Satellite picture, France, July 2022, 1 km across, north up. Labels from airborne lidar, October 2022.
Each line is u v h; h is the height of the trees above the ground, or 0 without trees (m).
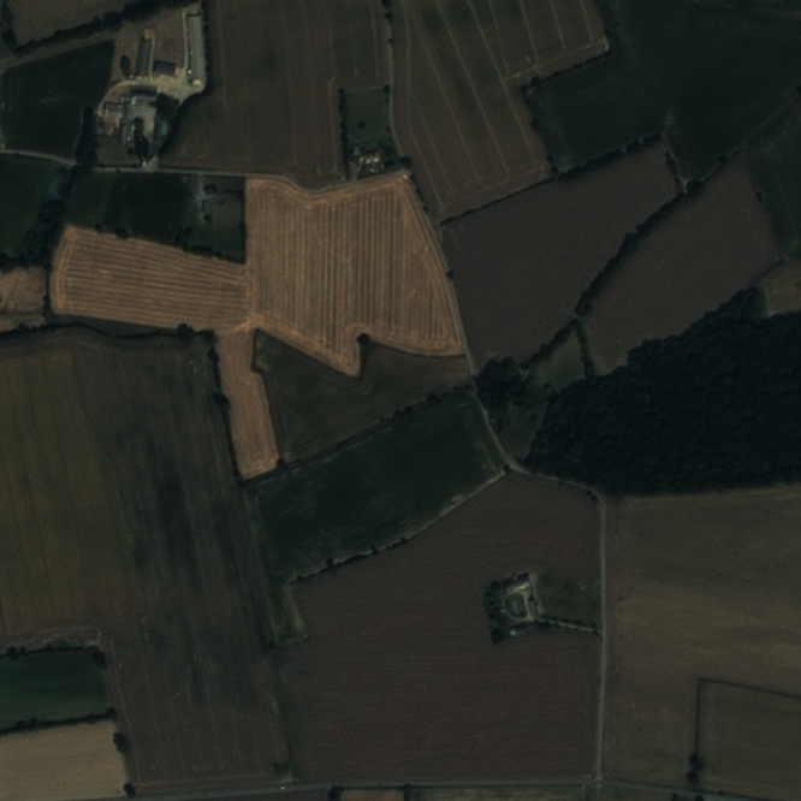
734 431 20
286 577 0
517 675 0
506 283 0
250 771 0
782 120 0
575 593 0
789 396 16
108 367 0
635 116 0
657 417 20
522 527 0
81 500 0
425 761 0
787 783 0
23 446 0
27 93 0
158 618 0
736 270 0
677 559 0
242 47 0
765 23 0
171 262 0
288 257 0
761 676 0
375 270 0
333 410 0
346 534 0
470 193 0
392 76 0
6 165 0
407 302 0
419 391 0
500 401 15
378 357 0
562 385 0
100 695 0
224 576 0
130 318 0
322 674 0
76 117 0
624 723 0
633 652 0
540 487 0
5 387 0
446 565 0
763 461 21
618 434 21
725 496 0
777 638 0
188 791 0
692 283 0
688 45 0
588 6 0
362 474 0
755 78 0
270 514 0
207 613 0
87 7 0
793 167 0
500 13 0
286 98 0
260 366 0
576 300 0
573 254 0
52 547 0
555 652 0
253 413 0
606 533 0
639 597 0
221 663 0
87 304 0
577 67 11
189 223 0
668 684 0
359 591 0
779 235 0
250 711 0
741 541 0
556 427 19
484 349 0
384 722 0
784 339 19
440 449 0
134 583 0
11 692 0
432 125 0
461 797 0
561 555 0
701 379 18
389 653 0
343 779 0
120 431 0
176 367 0
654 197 0
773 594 0
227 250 0
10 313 0
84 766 0
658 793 0
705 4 0
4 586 0
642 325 0
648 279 0
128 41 0
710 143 0
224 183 0
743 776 0
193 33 0
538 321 0
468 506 0
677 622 0
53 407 0
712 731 0
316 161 0
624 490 14
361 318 0
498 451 0
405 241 0
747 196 0
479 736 0
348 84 0
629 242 16
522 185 0
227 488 0
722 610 0
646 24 0
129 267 0
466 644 0
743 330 19
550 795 0
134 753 0
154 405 0
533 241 0
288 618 0
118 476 0
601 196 0
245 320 0
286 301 0
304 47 0
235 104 0
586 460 21
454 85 0
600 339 0
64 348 0
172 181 0
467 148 0
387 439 0
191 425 0
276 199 0
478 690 0
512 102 0
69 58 0
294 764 0
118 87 0
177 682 0
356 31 0
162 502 0
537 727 0
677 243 0
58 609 0
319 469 0
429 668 0
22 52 11
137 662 0
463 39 0
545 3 0
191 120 0
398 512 0
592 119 0
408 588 0
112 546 0
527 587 0
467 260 0
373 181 0
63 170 7
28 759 0
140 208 0
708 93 0
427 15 0
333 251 0
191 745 0
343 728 0
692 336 16
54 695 0
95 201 0
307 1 0
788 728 0
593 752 0
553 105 0
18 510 0
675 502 0
